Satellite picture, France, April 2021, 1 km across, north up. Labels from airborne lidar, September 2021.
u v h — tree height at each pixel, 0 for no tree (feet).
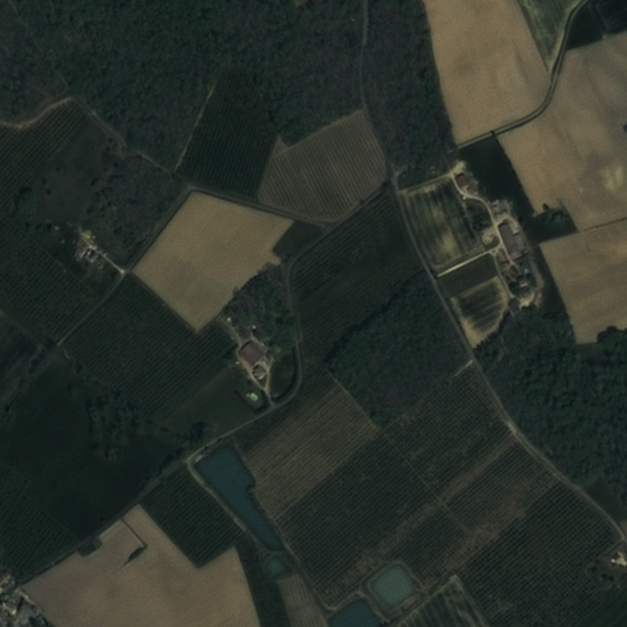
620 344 81
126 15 88
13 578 21
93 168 0
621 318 0
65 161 0
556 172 0
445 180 0
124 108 80
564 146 0
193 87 74
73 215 0
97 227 0
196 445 60
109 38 74
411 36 65
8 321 0
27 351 0
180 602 0
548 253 0
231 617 0
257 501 29
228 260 0
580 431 78
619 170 0
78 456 0
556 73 0
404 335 57
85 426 0
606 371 74
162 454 0
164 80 80
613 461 68
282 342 77
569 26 0
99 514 0
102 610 0
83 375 78
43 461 0
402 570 0
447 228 0
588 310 0
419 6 60
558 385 89
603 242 0
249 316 81
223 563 0
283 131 55
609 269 0
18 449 0
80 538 0
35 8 69
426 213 0
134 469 0
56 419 0
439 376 62
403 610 24
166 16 93
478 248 0
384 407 71
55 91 44
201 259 0
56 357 48
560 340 88
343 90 54
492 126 0
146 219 57
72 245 0
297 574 0
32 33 36
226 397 0
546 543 0
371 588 0
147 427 52
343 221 0
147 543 0
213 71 83
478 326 0
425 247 0
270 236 0
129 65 66
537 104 0
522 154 0
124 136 64
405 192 0
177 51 86
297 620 0
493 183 0
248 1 73
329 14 57
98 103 67
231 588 0
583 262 0
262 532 0
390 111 56
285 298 76
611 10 0
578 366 80
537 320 80
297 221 0
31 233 36
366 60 52
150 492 0
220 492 0
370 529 20
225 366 0
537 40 0
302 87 59
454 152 58
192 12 84
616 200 0
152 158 45
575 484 50
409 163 56
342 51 33
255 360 0
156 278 0
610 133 0
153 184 59
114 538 0
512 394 49
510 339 65
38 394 0
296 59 71
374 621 0
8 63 61
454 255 0
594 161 0
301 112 73
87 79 77
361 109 47
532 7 0
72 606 0
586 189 0
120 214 35
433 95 66
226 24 83
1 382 0
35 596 0
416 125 69
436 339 48
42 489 0
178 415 0
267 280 69
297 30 62
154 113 73
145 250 0
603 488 0
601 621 0
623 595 0
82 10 65
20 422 0
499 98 0
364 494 17
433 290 51
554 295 0
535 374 43
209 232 0
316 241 0
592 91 0
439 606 0
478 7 0
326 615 0
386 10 71
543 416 70
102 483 0
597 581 0
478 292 0
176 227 0
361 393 63
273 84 72
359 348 82
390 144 44
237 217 0
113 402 50
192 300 0
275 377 0
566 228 0
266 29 63
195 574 0
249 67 44
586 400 35
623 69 0
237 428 0
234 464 0
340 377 62
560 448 63
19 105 58
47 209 0
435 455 21
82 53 71
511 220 0
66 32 69
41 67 61
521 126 0
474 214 0
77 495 0
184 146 43
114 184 53
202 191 0
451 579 0
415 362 62
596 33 0
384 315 36
